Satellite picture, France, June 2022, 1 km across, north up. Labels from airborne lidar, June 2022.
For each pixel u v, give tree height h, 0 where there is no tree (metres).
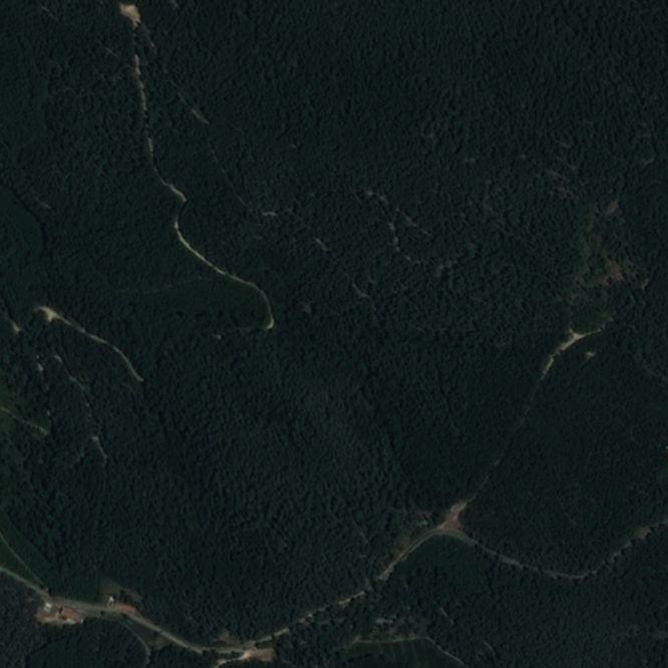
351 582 21
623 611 24
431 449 10
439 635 22
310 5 24
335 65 24
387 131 20
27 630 7
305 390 20
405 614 27
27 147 25
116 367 16
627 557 24
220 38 26
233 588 20
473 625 25
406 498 23
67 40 24
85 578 10
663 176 15
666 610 14
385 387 16
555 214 19
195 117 16
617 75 9
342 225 22
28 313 22
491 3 20
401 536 32
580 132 23
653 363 23
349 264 21
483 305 21
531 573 25
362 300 20
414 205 18
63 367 14
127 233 18
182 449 21
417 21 28
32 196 27
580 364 8
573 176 20
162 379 27
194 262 13
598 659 21
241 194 15
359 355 12
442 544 10
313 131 25
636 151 12
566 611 25
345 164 21
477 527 7
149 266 22
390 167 19
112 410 22
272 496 29
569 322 9
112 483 18
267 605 20
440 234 18
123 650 23
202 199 8
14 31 18
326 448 19
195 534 21
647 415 9
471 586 10
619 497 13
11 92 29
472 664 28
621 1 30
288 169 12
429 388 20
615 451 11
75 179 18
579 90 22
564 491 8
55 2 14
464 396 23
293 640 24
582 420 9
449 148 18
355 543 21
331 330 25
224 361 17
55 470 22
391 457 14
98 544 14
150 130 14
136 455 28
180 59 22
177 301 6
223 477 27
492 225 21
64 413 16
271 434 25
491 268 23
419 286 24
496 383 11
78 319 22
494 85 21
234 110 21
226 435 26
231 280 18
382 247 14
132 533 23
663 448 8
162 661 25
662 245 12
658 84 22
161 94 12
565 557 26
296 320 10
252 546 20
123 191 25
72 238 19
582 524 10
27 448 16
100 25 21
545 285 19
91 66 24
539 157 12
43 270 23
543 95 22
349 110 14
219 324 24
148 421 23
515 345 14
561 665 18
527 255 13
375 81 20
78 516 24
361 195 22
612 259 18
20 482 14
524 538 8
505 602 22
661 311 25
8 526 9
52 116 17
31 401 9
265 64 11
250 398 28
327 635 30
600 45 27
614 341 11
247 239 19
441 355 24
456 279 7
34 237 10
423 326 26
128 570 20
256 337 18
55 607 0
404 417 17
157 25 16
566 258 9
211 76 22
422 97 24
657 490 14
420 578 19
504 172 20
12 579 12
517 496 9
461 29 23
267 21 18
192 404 16
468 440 11
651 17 17
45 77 20
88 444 13
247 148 14
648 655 25
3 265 27
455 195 18
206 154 14
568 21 19
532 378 10
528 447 8
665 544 24
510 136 18
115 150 17
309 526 26
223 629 8
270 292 28
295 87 13
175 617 18
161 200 15
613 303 11
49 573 10
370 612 24
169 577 18
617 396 10
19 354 20
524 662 24
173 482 18
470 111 26
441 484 7
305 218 24
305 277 16
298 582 24
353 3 23
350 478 23
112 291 28
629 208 18
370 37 22
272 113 20
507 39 26
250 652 0
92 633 25
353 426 18
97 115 14
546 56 24
